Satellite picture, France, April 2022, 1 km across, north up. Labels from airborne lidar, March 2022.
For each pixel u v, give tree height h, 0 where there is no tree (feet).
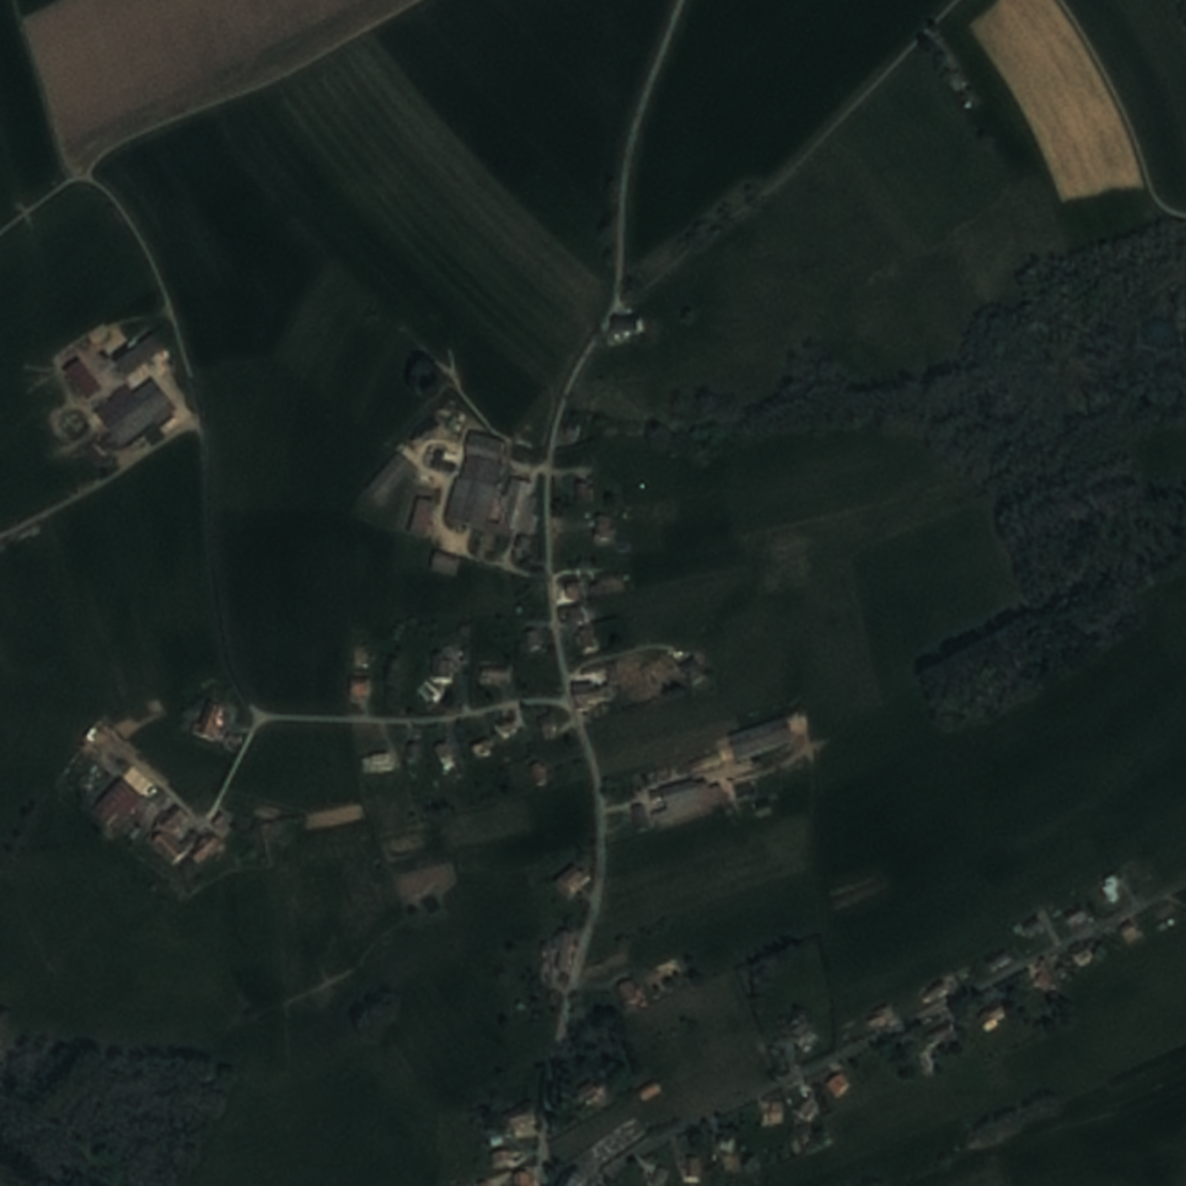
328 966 0
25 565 0
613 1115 0
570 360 0
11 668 0
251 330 0
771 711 0
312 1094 0
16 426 0
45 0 0
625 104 0
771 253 0
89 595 0
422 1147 0
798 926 0
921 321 0
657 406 0
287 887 0
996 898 0
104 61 0
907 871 0
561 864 0
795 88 0
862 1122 0
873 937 0
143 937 0
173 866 0
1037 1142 0
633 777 0
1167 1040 0
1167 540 59
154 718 0
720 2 0
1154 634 0
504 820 0
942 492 0
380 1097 0
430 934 0
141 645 0
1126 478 77
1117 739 0
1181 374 74
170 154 0
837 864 0
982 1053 0
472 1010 0
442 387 57
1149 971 0
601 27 0
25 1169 49
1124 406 65
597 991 0
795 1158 0
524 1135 0
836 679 0
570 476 0
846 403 81
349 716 0
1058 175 0
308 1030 0
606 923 0
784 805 0
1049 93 0
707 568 0
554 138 0
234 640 0
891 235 0
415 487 0
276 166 0
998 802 0
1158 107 0
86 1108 49
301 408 0
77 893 0
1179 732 0
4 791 0
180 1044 0
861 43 0
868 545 0
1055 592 52
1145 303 43
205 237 0
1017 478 45
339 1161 0
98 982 0
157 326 0
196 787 0
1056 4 0
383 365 0
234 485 0
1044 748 0
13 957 0
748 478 0
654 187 0
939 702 53
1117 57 0
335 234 0
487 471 0
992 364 55
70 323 0
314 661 0
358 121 0
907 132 0
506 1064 0
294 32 0
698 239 46
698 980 38
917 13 0
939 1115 0
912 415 64
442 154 0
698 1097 0
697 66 0
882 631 0
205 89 0
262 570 0
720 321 0
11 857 44
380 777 0
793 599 0
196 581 0
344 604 0
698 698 0
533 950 0
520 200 0
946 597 0
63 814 0
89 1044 0
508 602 0
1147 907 0
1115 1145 0
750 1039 0
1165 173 0
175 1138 59
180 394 0
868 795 0
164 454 0
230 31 0
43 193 0
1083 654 68
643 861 0
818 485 0
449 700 31
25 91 0
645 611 0
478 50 0
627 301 43
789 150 0
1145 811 0
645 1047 0
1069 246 0
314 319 0
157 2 0
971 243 0
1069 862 0
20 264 0
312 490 0
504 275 0
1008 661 67
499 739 23
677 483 0
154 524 0
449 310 0
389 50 0
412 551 0
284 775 0
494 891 0
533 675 0
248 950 0
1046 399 59
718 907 0
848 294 0
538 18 0
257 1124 0
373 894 0
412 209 0
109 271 0
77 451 0
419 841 0
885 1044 27
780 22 0
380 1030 64
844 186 0
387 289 0
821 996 0
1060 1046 0
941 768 0
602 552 0
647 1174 27
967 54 0
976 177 0
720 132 0
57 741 0
